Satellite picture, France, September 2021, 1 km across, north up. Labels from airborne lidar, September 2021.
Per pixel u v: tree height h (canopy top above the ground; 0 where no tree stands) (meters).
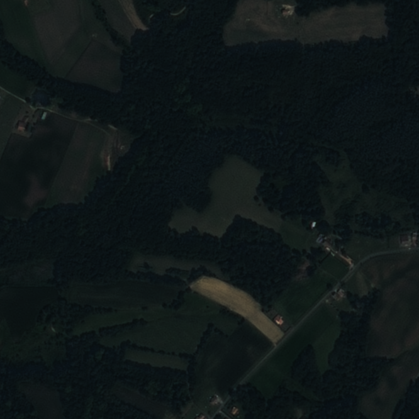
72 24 0
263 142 29
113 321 0
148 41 18
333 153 13
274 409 13
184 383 11
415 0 21
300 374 18
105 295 0
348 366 21
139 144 23
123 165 16
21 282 0
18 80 0
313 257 15
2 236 20
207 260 12
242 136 23
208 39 18
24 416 24
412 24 9
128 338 0
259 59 24
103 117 21
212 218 0
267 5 0
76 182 0
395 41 24
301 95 10
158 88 22
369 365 20
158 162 19
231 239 21
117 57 0
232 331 0
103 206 23
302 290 0
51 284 7
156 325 0
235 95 19
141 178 19
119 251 12
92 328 0
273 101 9
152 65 15
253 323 0
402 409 18
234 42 0
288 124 21
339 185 0
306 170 19
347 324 27
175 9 13
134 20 0
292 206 18
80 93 26
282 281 24
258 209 0
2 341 0
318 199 11
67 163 0
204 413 0
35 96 0
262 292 25
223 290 0
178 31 20
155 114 21
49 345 9
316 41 0
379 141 20
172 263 0
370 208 0
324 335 0
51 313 13
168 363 0
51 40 0
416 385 12
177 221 0
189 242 27
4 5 0
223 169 0
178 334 0
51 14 0
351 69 14
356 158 15
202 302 0
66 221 14
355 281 0
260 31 0
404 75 17
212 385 0
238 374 0
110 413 26
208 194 16
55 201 0
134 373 28
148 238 25
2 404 31
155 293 0
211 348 0
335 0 22
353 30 0
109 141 0
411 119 21
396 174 14
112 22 0
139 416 16
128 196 21
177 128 18
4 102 0
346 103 21
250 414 17
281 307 0
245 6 0
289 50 22
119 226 19
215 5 22
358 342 23
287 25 0
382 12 0
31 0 0
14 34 0
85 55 0
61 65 0
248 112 18
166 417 0
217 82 14
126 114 24
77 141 0
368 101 22
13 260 23
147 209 24
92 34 0
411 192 13
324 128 17
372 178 9
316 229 13
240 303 0
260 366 0
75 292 0
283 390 8
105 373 27
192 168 15
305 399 12
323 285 0
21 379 18
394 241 0
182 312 0
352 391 10
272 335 0
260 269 26
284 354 0
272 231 12
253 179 0
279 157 12
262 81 15
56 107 0
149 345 0
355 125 21
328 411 21
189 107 27
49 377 24
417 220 15
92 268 15
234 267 23
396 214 0
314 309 0
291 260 23
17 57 20
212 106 17
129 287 0
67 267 24
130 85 21
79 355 22
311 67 19
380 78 10
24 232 22
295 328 0
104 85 0
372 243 0
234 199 0
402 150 18
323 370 0
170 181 13
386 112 23
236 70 23
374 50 16
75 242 22
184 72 19
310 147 18
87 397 31
